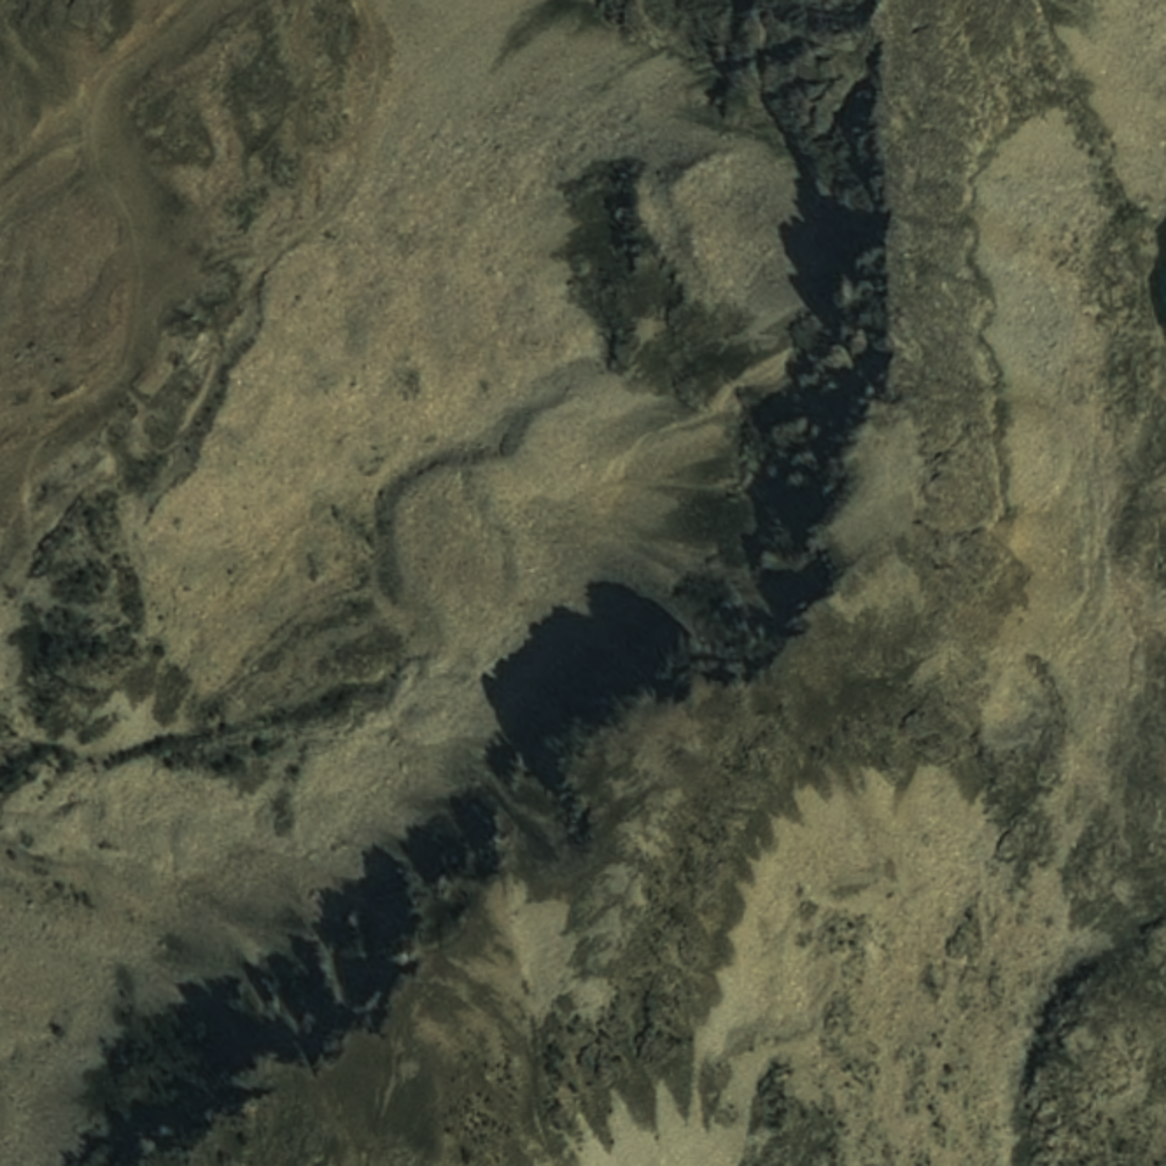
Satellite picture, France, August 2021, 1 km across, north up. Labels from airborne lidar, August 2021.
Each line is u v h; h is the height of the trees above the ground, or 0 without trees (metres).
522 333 0
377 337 0
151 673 0
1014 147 0
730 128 0
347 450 0
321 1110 0
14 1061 0
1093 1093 0
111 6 0
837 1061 0
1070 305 0
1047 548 0
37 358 0
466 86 0
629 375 0
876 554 0
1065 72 0
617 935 0
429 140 0
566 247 0
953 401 0
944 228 0
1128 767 0
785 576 0
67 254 0
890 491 0
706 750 0
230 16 0
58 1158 0
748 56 0
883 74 0
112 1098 0
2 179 0
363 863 0
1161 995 0
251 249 0
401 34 0
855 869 0
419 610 0
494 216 0
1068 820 0
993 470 0
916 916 0
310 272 0
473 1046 0
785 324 0
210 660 0
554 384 0
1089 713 0
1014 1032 0
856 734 0
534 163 0
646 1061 9
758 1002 0
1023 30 0
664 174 0
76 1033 0
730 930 0
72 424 0
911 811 0
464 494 0
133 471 0
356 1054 0
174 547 0
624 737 0
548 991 0
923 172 0
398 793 0
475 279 0
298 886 0
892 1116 0
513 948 0
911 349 0
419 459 0
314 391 0
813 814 0
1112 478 0
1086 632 0
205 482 0
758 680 0
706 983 0
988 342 0
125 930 0
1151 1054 0
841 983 0
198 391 0
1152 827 0
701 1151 0
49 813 0
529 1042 0
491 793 0
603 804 0
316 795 0
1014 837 0
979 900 0
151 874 0
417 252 0
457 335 0
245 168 0
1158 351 0
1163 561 0
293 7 0
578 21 0
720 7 0
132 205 0
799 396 0
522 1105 0
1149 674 0
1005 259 0
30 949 0
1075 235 0
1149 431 0
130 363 0
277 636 0
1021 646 0
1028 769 0
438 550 0
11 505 0
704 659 0
